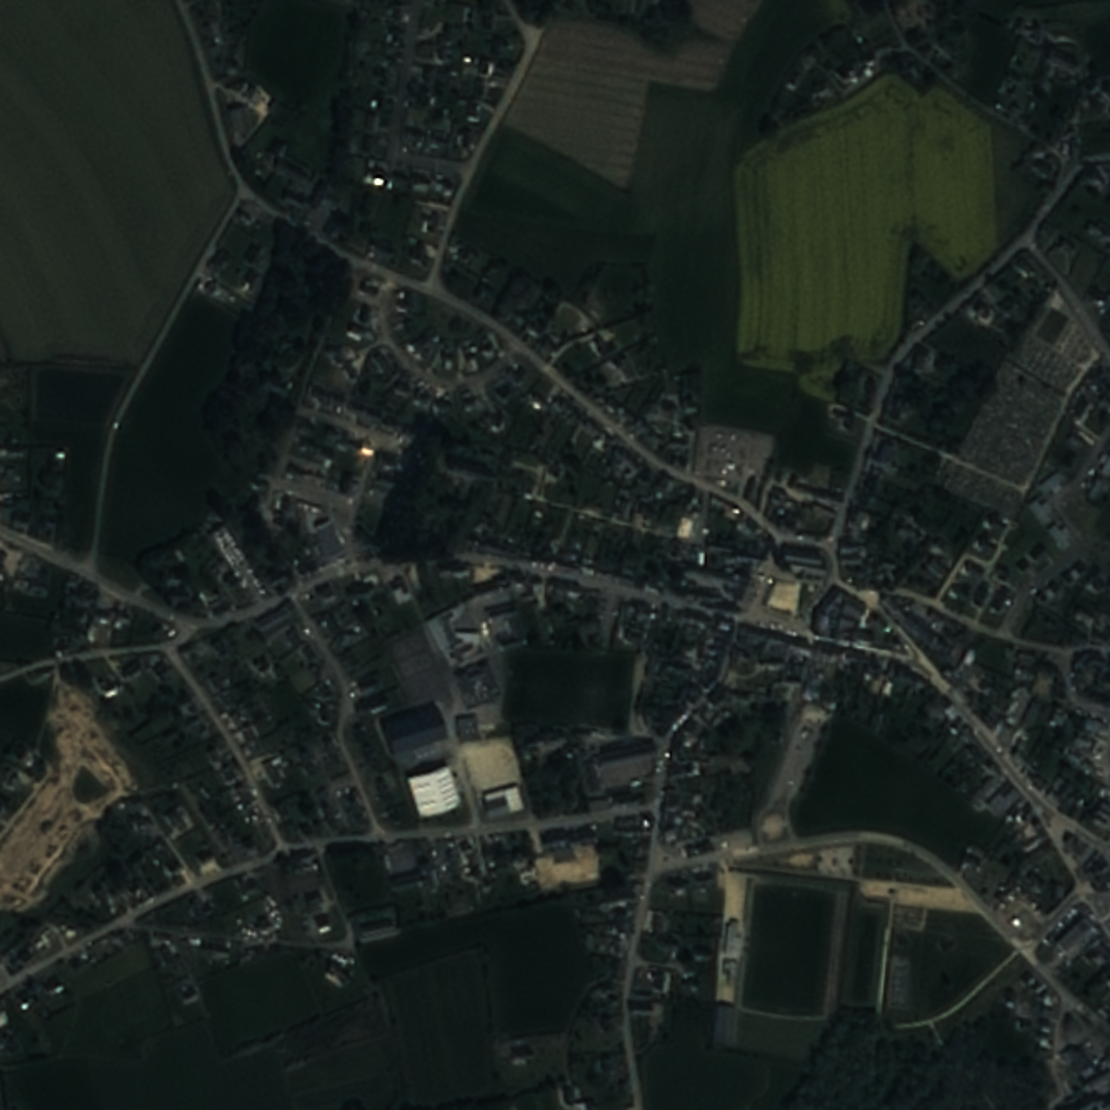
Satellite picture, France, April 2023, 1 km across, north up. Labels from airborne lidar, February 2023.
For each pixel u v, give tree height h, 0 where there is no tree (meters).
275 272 13
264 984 0
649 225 0
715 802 9
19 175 0
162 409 0
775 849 0
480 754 0
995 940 0
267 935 0
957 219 0
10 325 0
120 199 0
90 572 0
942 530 7
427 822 6
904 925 0
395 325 0
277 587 8
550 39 0
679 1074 0
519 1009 0
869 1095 13
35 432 0
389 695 0
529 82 0
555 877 0
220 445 11
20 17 0
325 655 0
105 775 0
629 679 0
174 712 12
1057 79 0
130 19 0
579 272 0
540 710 0
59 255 0
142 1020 0
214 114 0
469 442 8
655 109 0
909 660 0
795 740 0
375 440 0
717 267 0
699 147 0
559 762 12
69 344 0
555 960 0
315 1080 0
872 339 0
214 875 0
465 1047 0
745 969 0
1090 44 0
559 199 0
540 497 0
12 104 0
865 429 0
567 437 0
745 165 0
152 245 0
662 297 0
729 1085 0
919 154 0
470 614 0
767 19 0
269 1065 0
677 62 0
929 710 13
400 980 0
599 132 0
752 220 0
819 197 0
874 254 0
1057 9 0
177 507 0
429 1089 0
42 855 0
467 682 0
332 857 9
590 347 0
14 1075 0
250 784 0
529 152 0
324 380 0
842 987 0
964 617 0
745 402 0
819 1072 10
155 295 0
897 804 0
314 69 0
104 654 0
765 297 0
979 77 0
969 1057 9
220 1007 0
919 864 0
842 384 14
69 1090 0
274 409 19
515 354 0
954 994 0
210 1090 0
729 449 0
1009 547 0
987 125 0
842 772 0
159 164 0
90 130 0
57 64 0
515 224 0
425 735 0
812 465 0
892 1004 0
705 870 0
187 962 0
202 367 0
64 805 0
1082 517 0
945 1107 9
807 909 0
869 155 0
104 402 0
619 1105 0
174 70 0
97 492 0
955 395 19
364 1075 0
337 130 13
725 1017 0
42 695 0
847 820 0
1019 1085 13
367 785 0
